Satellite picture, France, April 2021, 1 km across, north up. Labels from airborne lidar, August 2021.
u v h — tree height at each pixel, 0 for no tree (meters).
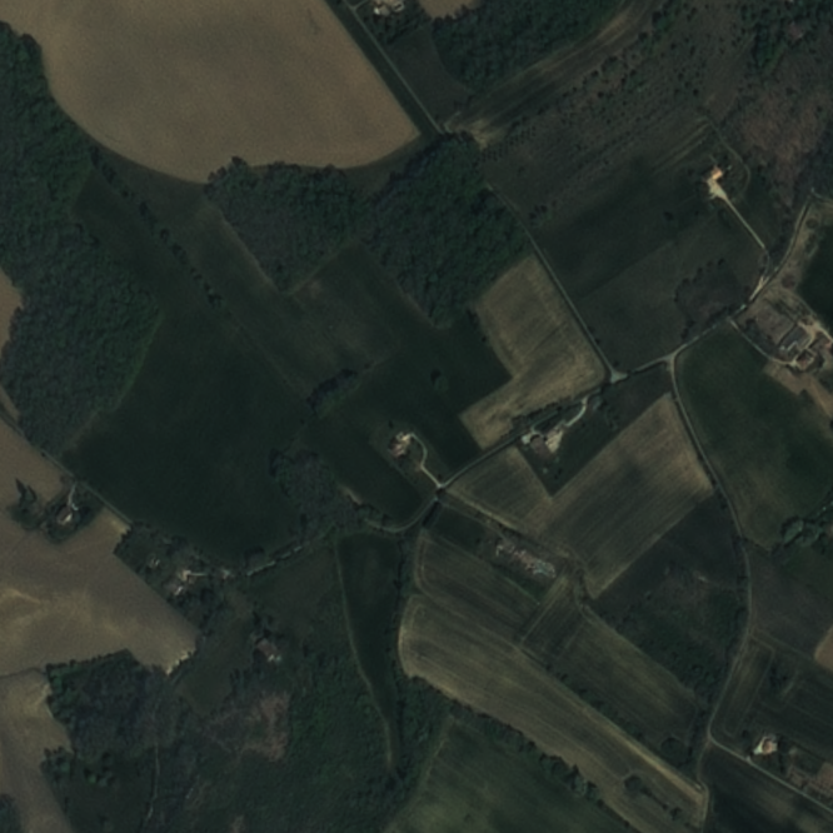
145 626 0
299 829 11
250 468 0
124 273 17
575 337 0
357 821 10
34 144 23
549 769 14
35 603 0
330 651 6
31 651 0
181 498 0
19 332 19
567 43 13
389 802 18
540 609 0
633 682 0
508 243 18
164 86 0
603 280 0
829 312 0
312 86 0
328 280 0
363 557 0
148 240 0
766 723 0
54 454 16
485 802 0
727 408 0
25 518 0
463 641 0
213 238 0
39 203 22
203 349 0
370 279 0
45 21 0
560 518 0
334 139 0
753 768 0
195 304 0
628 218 0
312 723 8
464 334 0
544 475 0
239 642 0
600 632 0
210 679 0
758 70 12
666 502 0
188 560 17
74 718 14
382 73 0
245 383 0
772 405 0
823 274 0
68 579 0
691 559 0
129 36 0
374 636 0
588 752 0
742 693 0
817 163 17
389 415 0
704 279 11
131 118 0
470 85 13
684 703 0
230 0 0
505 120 0
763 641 0
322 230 21
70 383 23
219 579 17
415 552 15
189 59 0
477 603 0
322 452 0
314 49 0
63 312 20
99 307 22
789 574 0
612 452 0
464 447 0
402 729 14
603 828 0
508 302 0
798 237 11
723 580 0
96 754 18
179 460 0
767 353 16
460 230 22
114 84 0
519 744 15
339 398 17
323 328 0
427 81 0
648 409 0
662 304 0
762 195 0
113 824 8
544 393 0
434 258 23
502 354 0
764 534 0
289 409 0
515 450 0
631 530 0
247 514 0
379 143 0
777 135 13
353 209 25
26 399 16
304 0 0
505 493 0
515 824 0
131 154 0
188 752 17
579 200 0
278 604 0
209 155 0
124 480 0
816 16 10
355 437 0
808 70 14
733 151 0
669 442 0
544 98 0
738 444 0
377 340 0
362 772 10
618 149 7
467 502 0
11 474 0
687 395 0
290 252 18
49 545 0
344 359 0
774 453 0
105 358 22
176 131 0
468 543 0
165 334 0
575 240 0
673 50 6
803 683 0
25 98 28
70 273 23
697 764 12
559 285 0
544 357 0
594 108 8
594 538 0
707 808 0
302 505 19
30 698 0
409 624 0
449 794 0
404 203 24
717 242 0
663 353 0
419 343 0
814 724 0
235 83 0
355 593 0
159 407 0
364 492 0
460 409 0
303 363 0
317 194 16
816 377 0
